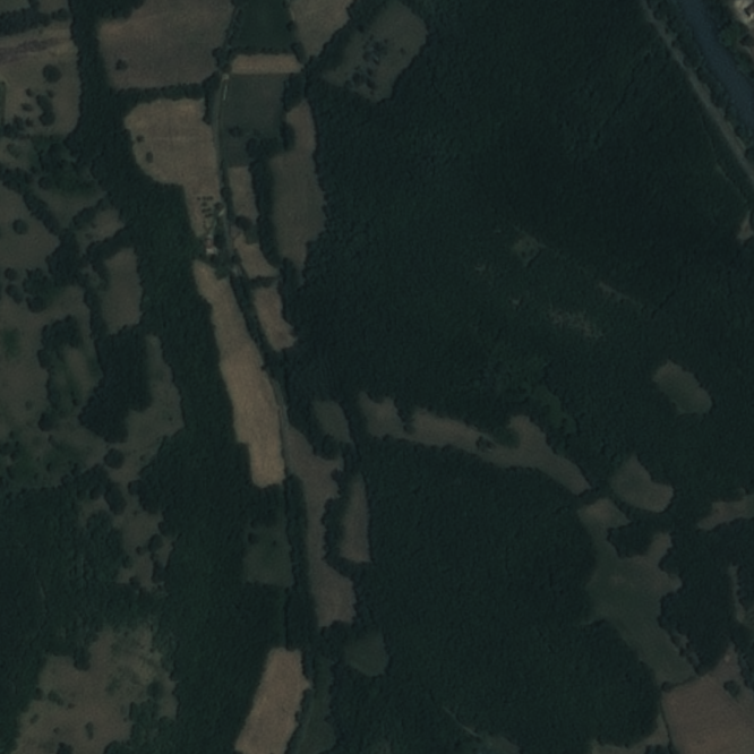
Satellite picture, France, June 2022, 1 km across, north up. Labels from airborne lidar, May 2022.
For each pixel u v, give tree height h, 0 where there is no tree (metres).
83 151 20
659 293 13
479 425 8
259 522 13
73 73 0
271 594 18
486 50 13
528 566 21
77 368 0
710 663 17
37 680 16
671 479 16
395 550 11
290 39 0
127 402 17
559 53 13
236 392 0
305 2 0
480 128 10
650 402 16
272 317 0
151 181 17
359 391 19
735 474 16
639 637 0
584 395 17
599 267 9
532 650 15
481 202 7
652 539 15
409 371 23
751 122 0
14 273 17
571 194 17
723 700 0
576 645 20
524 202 14
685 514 19
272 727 0
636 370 16
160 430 0
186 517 16
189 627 14
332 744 0
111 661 0
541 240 9
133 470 0
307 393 30
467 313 13
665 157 13
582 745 16
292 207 0
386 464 11
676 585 0
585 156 21
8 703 12
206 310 14
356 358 20
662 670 0
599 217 14
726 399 17
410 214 12
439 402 17
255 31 0
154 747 10
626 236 16
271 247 21
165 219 10
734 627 15
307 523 8
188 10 0
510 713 16
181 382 15
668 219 15
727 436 19
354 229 16
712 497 21
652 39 18
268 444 0
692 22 0
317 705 0
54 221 24
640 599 0
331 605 0
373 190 18
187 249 8
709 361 14
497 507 16
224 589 19
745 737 0
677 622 20
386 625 20
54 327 14
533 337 18
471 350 10
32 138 5
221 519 18
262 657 12
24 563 14
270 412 0
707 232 15
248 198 0
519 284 14
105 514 11
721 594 18
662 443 16
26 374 0
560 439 11
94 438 0
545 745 17
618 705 14
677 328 15
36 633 8
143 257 14
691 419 14
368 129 17
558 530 15
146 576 0
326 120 20
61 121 0
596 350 13
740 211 13
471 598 19
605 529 0
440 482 17
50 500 19
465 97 18
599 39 19
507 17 13
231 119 0
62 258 23
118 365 22
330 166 19
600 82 20
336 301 19
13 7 0
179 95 17
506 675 16
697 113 14
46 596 10
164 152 0
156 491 19
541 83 13
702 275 23
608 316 10
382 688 17
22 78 0
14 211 0
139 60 0
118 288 0
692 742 0
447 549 20
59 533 9
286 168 0
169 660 7
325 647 24
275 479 0
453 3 11
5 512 13
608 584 0
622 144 18
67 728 0
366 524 0
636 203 16
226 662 19
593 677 16
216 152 0
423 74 13
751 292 24
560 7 13
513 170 15
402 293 14
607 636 22
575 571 24
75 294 0
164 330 14
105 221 0
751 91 0
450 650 13
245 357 0
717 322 22
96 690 0
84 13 16
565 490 22
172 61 0
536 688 18
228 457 23
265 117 0
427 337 19
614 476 12
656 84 18
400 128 12
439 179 13
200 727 17
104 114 23
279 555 0
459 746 16
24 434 0
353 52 0
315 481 0
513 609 15
